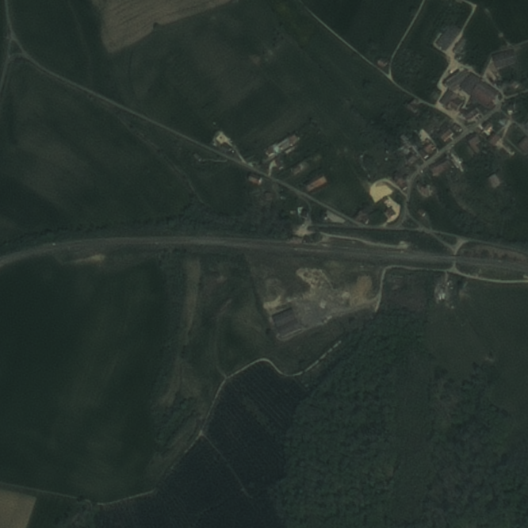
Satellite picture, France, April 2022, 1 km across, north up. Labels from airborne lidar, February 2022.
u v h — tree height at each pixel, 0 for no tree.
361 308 0
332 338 0
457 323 0
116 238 0
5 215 0
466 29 0
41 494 0
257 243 0
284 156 0
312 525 14
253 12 0
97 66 0
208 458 10
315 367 9
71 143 0
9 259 0
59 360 0
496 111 0
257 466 14
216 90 0
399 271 8
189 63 0
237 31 0
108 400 0
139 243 0
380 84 0
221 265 0
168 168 0
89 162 0
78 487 0
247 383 10
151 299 0
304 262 0
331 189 0
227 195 0
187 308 0
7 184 0
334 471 25
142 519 14
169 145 0
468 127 0
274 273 0
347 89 0
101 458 0
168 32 0
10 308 0
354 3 0
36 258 0
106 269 0
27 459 0
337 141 0
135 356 0
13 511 0
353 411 17
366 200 0
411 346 12
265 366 10
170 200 0
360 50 0
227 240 0
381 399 16
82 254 0
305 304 0
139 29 0
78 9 0
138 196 0
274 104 0
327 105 0
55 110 0
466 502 31
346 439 25
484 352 0
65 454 0
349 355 12
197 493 11
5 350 0
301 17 0
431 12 0
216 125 0
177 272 16
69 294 0
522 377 0
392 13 0
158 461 0
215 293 0
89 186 0
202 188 0
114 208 0
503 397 0
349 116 0
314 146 0
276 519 11
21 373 0
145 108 0
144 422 0
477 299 0
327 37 0
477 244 0
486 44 0
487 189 0
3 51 0
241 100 0
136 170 0
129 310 0
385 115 7
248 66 0
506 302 0
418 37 0
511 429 10
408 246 0
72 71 0
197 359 0
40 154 0
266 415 13
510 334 0
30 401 0
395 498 10
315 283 0
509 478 30
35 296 0
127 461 0
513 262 0
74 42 0
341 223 0
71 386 0
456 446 28
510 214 18
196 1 0
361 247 0
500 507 25
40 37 0
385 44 0
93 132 0
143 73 0
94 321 0
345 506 23
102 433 0
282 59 0
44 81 0
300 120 0
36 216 0
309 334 0
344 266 0
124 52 0
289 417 14
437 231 0
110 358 0
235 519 11
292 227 14
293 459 26
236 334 0
